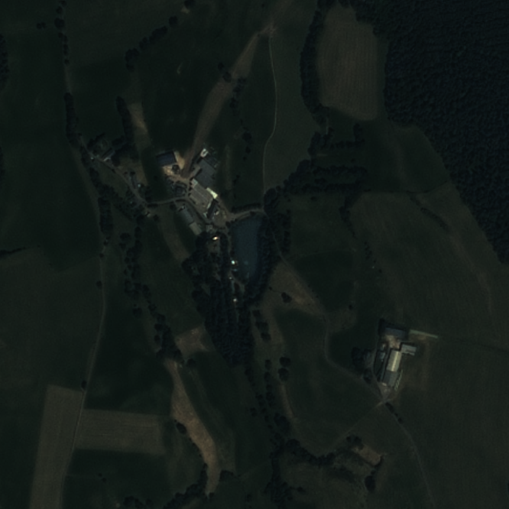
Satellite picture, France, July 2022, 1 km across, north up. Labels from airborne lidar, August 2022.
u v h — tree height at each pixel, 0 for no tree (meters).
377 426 0
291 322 0
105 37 0
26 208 0
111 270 0
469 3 17
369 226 0
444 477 0
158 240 0
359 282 0
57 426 0
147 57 0
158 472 0
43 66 0
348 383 0
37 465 0
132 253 16
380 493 0
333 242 0
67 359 0
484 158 28
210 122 0
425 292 0
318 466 19
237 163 0
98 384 0
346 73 0
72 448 0
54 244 0
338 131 0
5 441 0
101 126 0
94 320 0
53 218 0
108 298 0
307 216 0
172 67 0
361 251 0
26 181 0
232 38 0
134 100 0
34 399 0
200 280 15
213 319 20
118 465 0
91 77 0
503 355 0
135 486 0
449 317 0
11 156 0
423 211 6
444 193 0
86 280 0
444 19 17
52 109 0
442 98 23
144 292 15
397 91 19
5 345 0
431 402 0
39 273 0
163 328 18
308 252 0
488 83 25
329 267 0
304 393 0
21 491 0
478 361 0
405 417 0
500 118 26
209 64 0
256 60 0
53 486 0
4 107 0
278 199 9
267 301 0
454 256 0
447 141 24
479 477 0
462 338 0
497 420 0
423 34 18
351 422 0
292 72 0
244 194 0
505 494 0
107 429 0
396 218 0
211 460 0
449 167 13
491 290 0
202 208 0
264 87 0
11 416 0
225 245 19
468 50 23
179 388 0
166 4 0
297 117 0
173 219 0
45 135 0
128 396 0
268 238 11
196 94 0
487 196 21
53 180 0
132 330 0
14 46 0
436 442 0
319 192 14
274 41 0
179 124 0
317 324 0
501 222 20
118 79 0
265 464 0
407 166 0
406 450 0
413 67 23
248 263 0
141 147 0
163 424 0
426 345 0
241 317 9
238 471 0
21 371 0
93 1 0
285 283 0
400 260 0
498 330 0
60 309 0
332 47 0
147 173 0
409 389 0
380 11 18
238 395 0
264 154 0
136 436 0
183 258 0
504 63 21
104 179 0
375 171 0
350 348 0
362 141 19
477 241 0
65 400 0
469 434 0
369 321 0
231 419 0
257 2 0
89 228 0
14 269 0
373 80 0
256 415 8
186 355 0
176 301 0
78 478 0
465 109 32
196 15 0
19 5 0
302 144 0
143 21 0
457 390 0
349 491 0
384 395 0
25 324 0
